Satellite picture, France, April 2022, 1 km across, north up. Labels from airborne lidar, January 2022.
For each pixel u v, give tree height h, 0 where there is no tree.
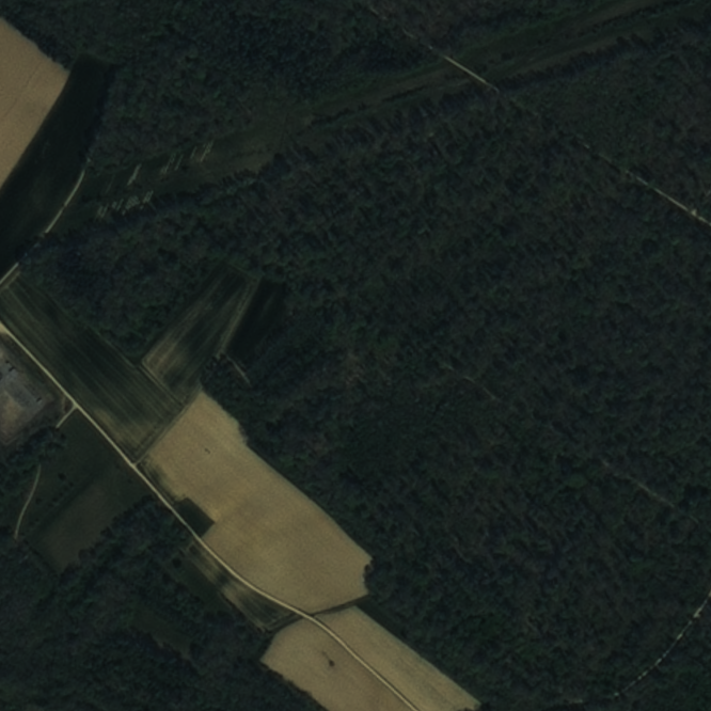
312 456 31
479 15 19
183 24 28
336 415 38
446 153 37
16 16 24
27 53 0
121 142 25
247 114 29
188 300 21
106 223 0
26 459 16
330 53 26
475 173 34
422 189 29
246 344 0
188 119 30
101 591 32
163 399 0
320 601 0
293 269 30
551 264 36
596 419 40
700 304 39
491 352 36
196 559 0
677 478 35
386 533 31
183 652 0
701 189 32
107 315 33
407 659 0
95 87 0
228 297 0
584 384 38
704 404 37
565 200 30
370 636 0
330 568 0
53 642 31
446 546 10
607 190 31
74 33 26
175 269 34
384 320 40
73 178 0
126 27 21
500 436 35
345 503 30
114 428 0
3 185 0
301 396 33
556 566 36
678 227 38
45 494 0
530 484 40
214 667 38
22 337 0
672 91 30
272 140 0
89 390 0
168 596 26
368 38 24
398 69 21
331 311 17
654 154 13
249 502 0
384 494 37
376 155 39
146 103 30
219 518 0
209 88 30
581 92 22
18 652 23
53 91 0
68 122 0
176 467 0
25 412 0
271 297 0
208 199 18
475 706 0
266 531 0
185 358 0
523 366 38
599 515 38
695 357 40
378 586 25
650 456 33
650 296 35
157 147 28
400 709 0
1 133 0
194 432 0
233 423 0
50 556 0
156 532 31
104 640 28
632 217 34
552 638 38
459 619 34
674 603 35
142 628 0
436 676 0
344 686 0
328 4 29
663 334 35
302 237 34
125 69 27
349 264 37
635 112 21
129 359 0
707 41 30
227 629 30
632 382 36
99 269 23
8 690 28
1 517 14
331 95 17
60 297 19
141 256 31
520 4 6
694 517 36
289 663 0
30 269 29
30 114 0
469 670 26
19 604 21
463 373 32
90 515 0
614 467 37
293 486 0
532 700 20
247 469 0
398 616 24
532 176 36
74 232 0
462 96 0
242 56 30
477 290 33
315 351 22
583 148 33
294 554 0
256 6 28
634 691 31
